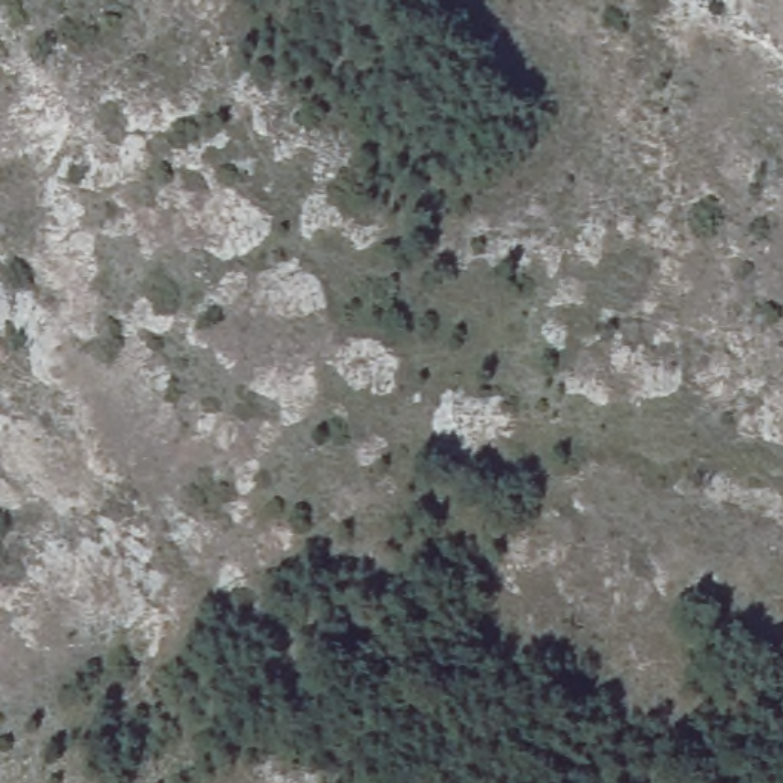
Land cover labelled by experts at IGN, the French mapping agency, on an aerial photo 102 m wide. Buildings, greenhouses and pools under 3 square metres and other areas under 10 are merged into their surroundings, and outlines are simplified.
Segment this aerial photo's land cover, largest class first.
<instances>
[{"label":"bare soil","instance_id":"1","mask_svg":"<svg viewBox=\"0 0 783 783\"><path fill-rule=\"evenodd\" d=\"M229 0H138L135 9L147 31L125 34L128 46H135L138 52H144L159 34L168 31L199 34L211 43L214 55L208 58V64H202V73L190 80V86L180 92L184 101H177L174 107L168 98L159 101L156 95H147V83H135L132 64L119 58L76 67L64 64L67 43H55L52 55L37 67L28 46L40 34L31 21L12 28L6 9H0V275L6 272V263L12 257L28 260L37 275V281L28 291H9L0 278V327L15 324L28 333L24 349H0V508L18 511L37 502L49 505L43 511V523L24 532L21 563L28 575L15 587H0V783H95V777H89L86 771L83 746L64 749V755L55 762L43 759V749L64 728H98V713L83 700L58 703L61 682L73 679L89 658L110 655L113 645H132V655L138 658V679H132L122 688V700L150 703L153 673L162 661H171L180 651L202 599L211 590L242 587L245 575L281 563L294 551L291 529L297 523L312 526L309 502H288L278 495L251 511L245 502H229V511H223L217 520H190V514L180 511L187 486L196 480V468L208 465L217 480H232L239 492H251L260 462L266 459L272 440H278L288 425L300 422L309 413L318 392L315 376L321 370L333 367L352 388H364L370 395H392L398 358L392 352L376 340H352L349 346H340L324 303L318 278L303 272L297 260H284L266 272H226L217 291H208L184 315H156L147 297L135 300L132 312L119 315L125 343L113 364H104L95 355L80 352V343L95 336L101 321L98 294L92 291V281L98 275V239L132 236L141 245V257L150 260L165 251H208L211 257L229 260L254 251L269 236V217L260 208H254L245 196H239L232 187H223L214 168L202 159L214 147H226V135L217 132L214 138H202L177 150L165 138L174 119L196 116L199 110H220V122H229V113L239 119L245 110H251V128L272 147V156L278 162L291 159L297 150H309L315 156L312 180L327 184L336 177L343 165L352 162V156L364 144L355 135H333L300 125V92H288L281 83L257 89L248 80L242 61L229 52L220 24V15L226 12ZM147 330H174L187 340V346L205 349L232 376L236 385H245L260 398L275 401L278 419H232L208 413L199 401L187 398L168 404V367H147ZM489 12L508 28L511 40L523 52L526 67H535L544 76V92L551 95V101H557L560 110L554 125L538 138L532 156L514 165L511 174L499 177V184H492V196L480 190L471 193V217H443L437 245L456 254L459 263H492L495 278L511 281L517 294L535 291V278L523 266H532L538 260L544 263L547 275L560 269L563 278H569L547 300L551 306H560V318L547 321L541 327V336L551 343L544 358L566 373V392L578 395L593 404L642 407L645 398H667L682 385L685 392L703 398L697 407L707 413L713 425L722 419L725 410H734L737 431L743 440H768L783 447V0H486ZM707 196L719 202V208L725 211V223L719 226L716 239H694L691 208ZM318 229H336L358 251L373 248L382 239L379 226H358L352 217H343L340 208L327 202V196L309 193L303 199V239H312ZM499 370V355H489L480 373L483 398H468L465 392H443L431 422L434 431L456 434L465 450L489 447L495 437H511V431L508 416L520 410V395L511 385H499L492 379ZM318 443H352L349 425L343 419H324L315 425ZM358 465L379 462L382 468H392L385 437H370L358 443ZM710 502H737L743 511H755L762 505L765 517L783 523V495L777 489L740 486L737 480H728L722 474H716L707 483ZM529 538L523 532L508 544L505 563L495 569L502 587L508 593H520L517 572L544 569L547 563H557L554 544L541 547L538 554H529ZM667 700H673V722L703 707L697 694H691L682 685H676ZM196 762V743L180 740L162 752V759L141 762L138 783H180L177 771H187ZM223 783H318L315 771L278 774L275 762L269 759L263 765H248L236 759V771Z\"/></svg>","mask_w":783,"mask_h":783},{"label":"coniferous trees","instance_id":"2","mask_svg":"<svg viewBox=\"0 0 783 783\"><path fill-rule=\"evenodd\" d=\"M220 24L229 52L242 61L248 80L257 89L281 83L288 92H300V125L333 135H355L364 144L352 156V162L343 165L336 177L327 184V202L340 208L343 217H352L358 226H379L382 239L392 248L395 272L379 278H355L349 288V303H340L336 297L324 303L340 346H349L352 340H376L392 352L407 336L425 343L434 340L440 327L437 309L413 312L401 300L404 288L431 294V288L443 284L447 275H459V263L456 254L437 245L443 217H471V193L480 190L492 196V184H499V177L511 174L514 165L532 156L538 138L554 125L560 110L557 101H551V95L544 92V76L535 67H526L523 52L511 40L508 28L489 12L486 0H229L226 12L220 15ZM547 474L538 456L508 462L499 456L495 447H489L465 450L456 434L434 431L425 440L407 483L413 508H407L404 514H388L385 547L395 554V566L388 572L379 569L370 557L330 554V538L321 535L309 538L306 547L294 551L281 563L245 575L242 587L211 590L202 599L180 651L171 661H162L153 673L150 703L122 700V688L110 685L104 710L98 713V728H64L43 749V759L55 762L64 755V749L83 746L86 771L89 777H95V783H138L141 762L162 759V752L180 740L196 743V762L187 771H177L180 783H223L236 771V759L248 765H263L269 759L275 762L278 774L315 771L318 783H783V621H774L759 603L749 609H734L731 587L716 584L713 578H700V584L685 587L673 603V627L667 630L670 642L688 658L682 685L691 694H697L703 707L673 722V700H667L651 710L627 707L621 679H596L603 664L599 651H578L569 639L557 636L529 639L523 633H502L495 618V593L502 587L495 569L505 563L508 544L523 532L544 511Z\"/></svg>","mask_w":783,"mask_h":783},{"label":"brushwood","instance_id":"3","mask_svg":"<svg viewBox=\"0 0 783 783\"><path fill-rule=\"evenodd\" d=\"M138 0H0V9H6L12 28L31 21L40 34L28 46L37 67L52 55L55 43H67L64 64L76 67L119 58L132 64L135 83H147V95H156L159 101L168 98L174 107L177 101H184L180 92L190 86V80L202 73V64H208V58L214 55L211 43L199 34L168 31L159 34L144 52H138L135 46H128L125 34L147 31L135 9ZM217 132L226 135V147H214L202 159L214 168L223 187H232L239 196H245L254 208H260L269 217V236L254 251L229 260L211 257L208 251H165L150 260L141 257V245L132 236L98 239V275L92 281V291L98 294L101 321L95 336L80 343V352L95 355L104 364H113L125 343L119 315L132 312L135 300L147 297L156 315H184L208 291H217L226 272H266L284 260H297L303 272L318 278L324 303L336 297L340 303H349V288L355 278H379L395 272L392 248L382 239L373 248L358 251L336 229H318L312 239H303V199L309 193L327 196V184L312 180L315 156L309 150H297L291 159L278 162L272 156V147L251 128V110H245L239 119L229 113V122H220V110H199L196 116L174 119L165 138L177 150L202 138H214ZM725 223V211L719 208V202L707 196L691 208L694 239H716L719 226ZM0 278L9 291H28L37 281V275L28 260L12 257L6 263V272L0 275ZM535 278V291L517 294L511 281L495 278L492 263H459V275H447L443 284L431 288V294L404 288L401 300L413 312L437 309L440 327L434 340L425 343L407 336L392 352L398 358L392 395H370L364 388H352L333 367L321 370L315 376L318 392L309 413L300 422L288 425L278 440H272L266 459L260 462L251 492H239L232 480H217L208 465L196 468V480L187 486L180 511L190 514V520H217L223 511H229V502H245L251 511L278 495L288 502H309L312 526L297 523L291 529L294 551L306 547L309 538L321 535L330 538V554L370 557L379 569L388 572L395 566V554L385 547L388 514H404L407 508H413L407 483L425 440L434 431L431 422L443 392H465L468 398H483L480 373L489 355H499V370L492 379L499 385H511L520 395V410L508 416L511 431L520 422L532 419L541 425L563 428L569 422V404L578 395L566 392V373L544 358L551 343L541 336V327L547 321L560 318V306H551L547 300L569 278H563L560 269L547 275L544 263L538 260L532 266H523ZM324 419H343L349 425L352 443H318L315 425ZM370 437H385L392 468H382L379 462L358 465V443ZM28 333L15 324L0 327V349H24ZM147 367H168V404L187 398L199 401L208 413L232 419H278L275 401L260 398L245 385H236L232 376L205 349L187 346V340L174 330H147ZM49 505L37 502L18 511L0 508V587H15L28 575L21 563L24 532L43 523V511ZM132 679H138V658L132 655V645H113L110 655L89 658L73 679L61 682L58 703L83 700L98 713L104 710L110 685L122 688Z\"/></svg>","mask_w":783,"mask_h":783},{"label":"herbaceous vegetation","instance_id":"4","mask_svg":"<svg viewBox=\"0 0 783 783\"><path fill-rule=\"evenodd\" d=\"M703 398L685 392L682 385L667 398H645L642 407L593 404L578 395L569 404V422L563 428L541 425L532 419L520 422L511 431V437H495L489 447H495L499 456L508 462L538 456L547 474L544 511L523 532L529 538V554H538L541 547L554 544L557 563H547L544 569L517 572L520 593H508L502 587L495 593V618L502 633H523L529 639L557 636L569 639L578 651H599L603 664L596 679H621L627 707L651 710L667 700L676 685H682L688 658L670 642L667 630L673 627V603L685 587L700 584V578H713L716 584L731 587L734 609H749L759 603L774 621H783V523L765 517L762 505L755 511H743L737 502H710L707 483L716 474H722L728 480H737L740 486L777 489L783 495V447L768 440H743L737 431L734 410H725L722 419L713 425L707 413L697 407Z\"/></svg>","mask_w":783,"mask_h":783}]
</instances>
